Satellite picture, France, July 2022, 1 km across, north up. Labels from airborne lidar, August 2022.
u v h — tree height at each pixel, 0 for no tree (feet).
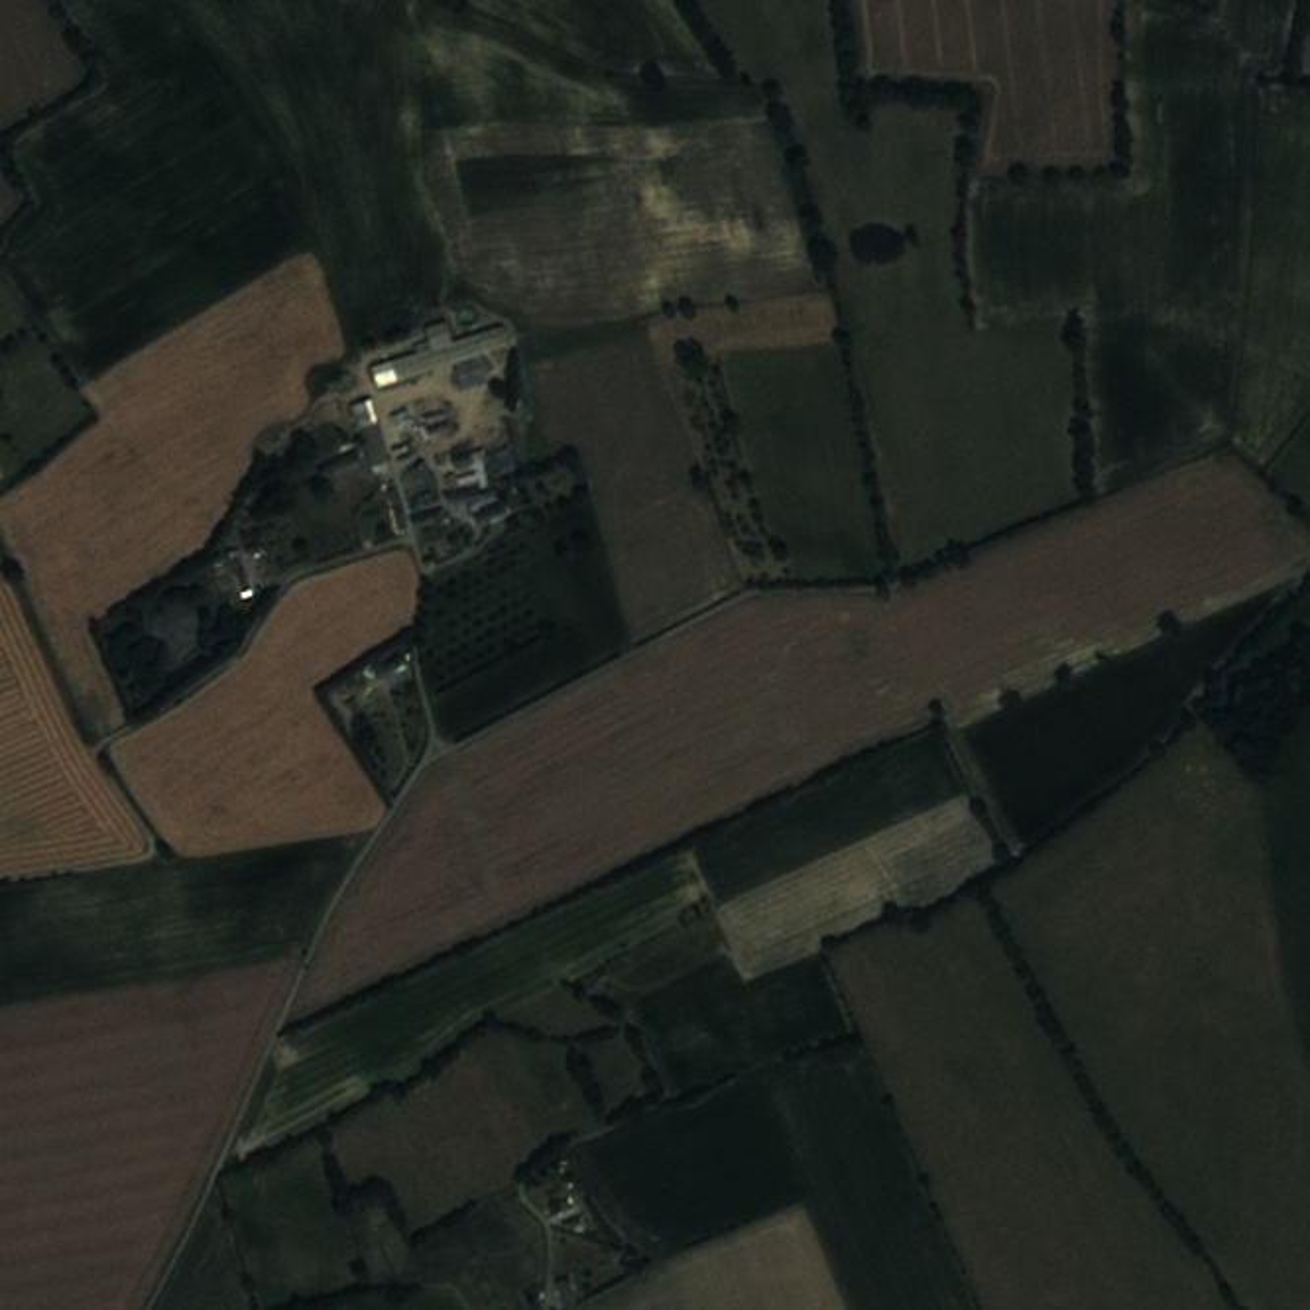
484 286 0
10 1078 0
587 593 0
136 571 0
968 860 0
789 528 0
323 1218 0
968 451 0
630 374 0
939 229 0
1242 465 0
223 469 0
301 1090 0
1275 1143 0
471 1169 0
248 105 0
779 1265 0
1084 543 0
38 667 0
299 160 0
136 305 0
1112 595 0
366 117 0
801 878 0
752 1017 0
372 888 0
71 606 0
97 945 0
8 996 0
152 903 0
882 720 0
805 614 0
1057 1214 0
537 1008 0
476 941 27
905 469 0
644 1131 0
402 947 0
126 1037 0
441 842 0
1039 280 0
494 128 0
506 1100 0
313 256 0
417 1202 0
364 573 0
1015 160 0
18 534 0
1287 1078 0
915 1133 0
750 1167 0
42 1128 0
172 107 0
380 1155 0
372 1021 0
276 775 0
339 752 0
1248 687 72
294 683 0
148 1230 0
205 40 0
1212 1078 0
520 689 0
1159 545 0
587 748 0
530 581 0
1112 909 0
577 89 0
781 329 0
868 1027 0
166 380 0
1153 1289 0
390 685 0
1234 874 0
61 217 0
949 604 0
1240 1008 0
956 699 0
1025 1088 0
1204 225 0
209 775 0
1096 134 0
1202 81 0
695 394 0
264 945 0
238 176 0
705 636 0
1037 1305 0
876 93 52
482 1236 0
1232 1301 44
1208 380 0
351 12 0
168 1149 0
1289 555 0
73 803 0
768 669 0
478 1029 25
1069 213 0
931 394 0
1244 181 0
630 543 0
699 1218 0
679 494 0
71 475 0
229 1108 0
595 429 0
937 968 0
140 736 0
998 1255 0
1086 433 61
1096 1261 0
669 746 0
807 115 0
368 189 0
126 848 0
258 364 0
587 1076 46
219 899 0
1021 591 0
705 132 0
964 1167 0
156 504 0
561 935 0
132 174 0
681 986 0
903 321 0
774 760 0
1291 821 0
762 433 0
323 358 0
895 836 0
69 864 0
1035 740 0
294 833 0
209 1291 0
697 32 43
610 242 0
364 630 0
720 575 0
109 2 0
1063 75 0
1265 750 53
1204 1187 0
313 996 0
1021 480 0
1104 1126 38
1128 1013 0
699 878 0
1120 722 0
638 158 0
